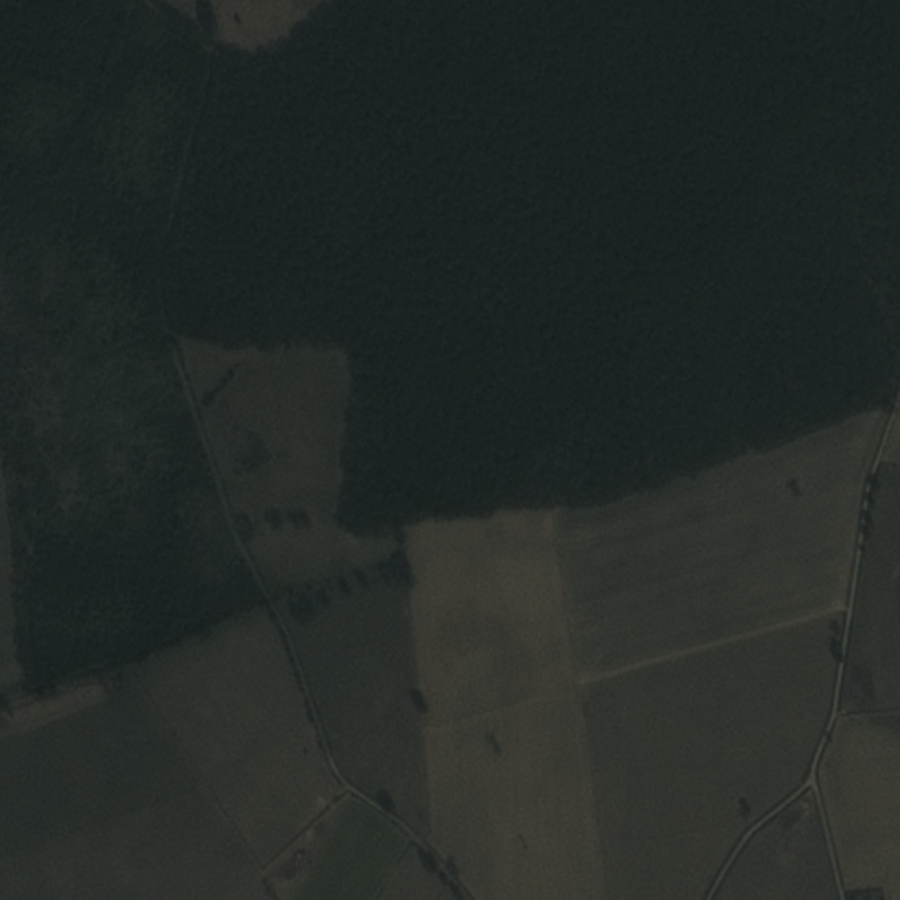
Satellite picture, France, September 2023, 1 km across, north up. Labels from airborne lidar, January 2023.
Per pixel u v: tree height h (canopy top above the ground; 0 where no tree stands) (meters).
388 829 0
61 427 0
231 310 18
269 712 0
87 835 0
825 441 0
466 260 16
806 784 0
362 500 21
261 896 0
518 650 0
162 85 8
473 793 0
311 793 0
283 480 0
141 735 0
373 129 17
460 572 0
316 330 19
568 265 20
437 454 20
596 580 0
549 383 18
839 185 18
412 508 19
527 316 20
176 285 14
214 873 0
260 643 0
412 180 15
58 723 0
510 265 18
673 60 19
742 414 17
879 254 16
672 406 20
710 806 0
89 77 8
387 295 17
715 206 19
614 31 19
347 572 0
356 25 23
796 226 16
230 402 0
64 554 7
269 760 0
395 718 0
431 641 0
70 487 0
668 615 0
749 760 0
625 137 21
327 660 0
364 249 17
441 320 19
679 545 0
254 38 0
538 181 19
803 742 0
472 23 14
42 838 0
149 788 0
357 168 15
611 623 0
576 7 19
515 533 0
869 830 0
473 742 0
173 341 10
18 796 0
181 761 0
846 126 17
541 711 0
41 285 0
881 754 0
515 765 0
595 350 23
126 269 8
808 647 0
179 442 8
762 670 0
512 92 16
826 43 19
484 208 7
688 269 16
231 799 0
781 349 16
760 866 0
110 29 7
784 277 17
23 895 0
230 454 0
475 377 21
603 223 19
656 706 0
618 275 22
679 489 0
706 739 0
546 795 0
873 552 0
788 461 0
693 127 16
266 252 21
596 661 0
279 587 0
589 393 21
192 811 0
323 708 0
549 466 12
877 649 0
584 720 0
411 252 15
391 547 0
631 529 0
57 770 0
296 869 0
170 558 11
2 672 0
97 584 8
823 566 0
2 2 9
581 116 18
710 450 19
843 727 0
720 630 0
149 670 0
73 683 33
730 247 16
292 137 14
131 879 0
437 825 0
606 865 0
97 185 8
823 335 16
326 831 0
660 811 0
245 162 21
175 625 8
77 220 8
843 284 14
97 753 0
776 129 20
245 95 19
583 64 21
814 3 19
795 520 0
